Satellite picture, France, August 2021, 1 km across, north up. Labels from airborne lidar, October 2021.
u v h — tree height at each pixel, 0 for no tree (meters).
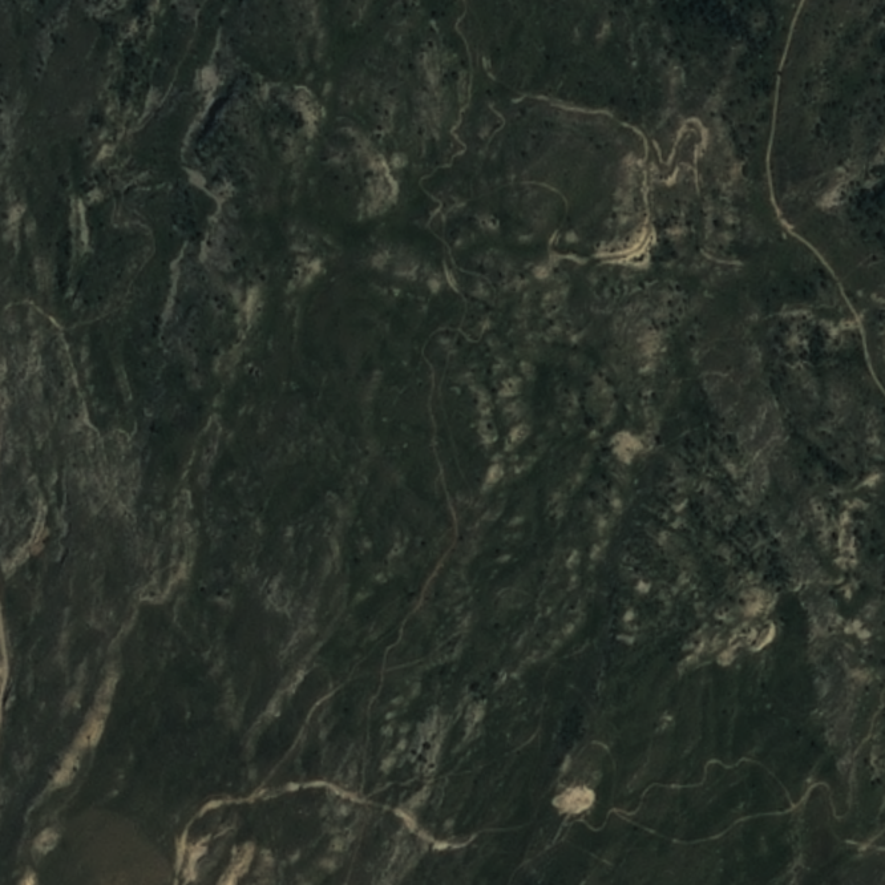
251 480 0
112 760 0
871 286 0
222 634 0
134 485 0
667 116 0
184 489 0
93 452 0
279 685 0
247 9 0
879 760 0
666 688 0
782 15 0
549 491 0
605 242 0
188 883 0
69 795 0
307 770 0
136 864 0
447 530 0
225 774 0
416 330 0
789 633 0
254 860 0
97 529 0
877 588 0
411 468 0
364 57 0
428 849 0
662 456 0
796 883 0
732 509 0
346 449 0
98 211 0
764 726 0
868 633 0
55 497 0
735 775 0
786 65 0
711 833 0
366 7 0
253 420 0
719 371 0
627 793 0
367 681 0
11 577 0
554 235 0
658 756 0
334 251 0
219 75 0
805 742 0
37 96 0
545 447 0
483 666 0
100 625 0
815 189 0
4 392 0
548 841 0
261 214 0
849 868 0
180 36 0
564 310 0
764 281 0
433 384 0
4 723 0
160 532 0
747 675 0
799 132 0
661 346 0
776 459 0
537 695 0
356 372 0
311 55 0
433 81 0
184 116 0
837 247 0
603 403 0
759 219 0
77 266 0
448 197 0
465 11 0
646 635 0
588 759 0
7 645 0
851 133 0
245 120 0
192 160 0
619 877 0
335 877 0
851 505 0
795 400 0
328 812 0
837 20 0
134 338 0
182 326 0
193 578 0
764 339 0
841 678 0
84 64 0
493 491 0
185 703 0
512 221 0
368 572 0
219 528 0
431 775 0
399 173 0
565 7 0
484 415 0
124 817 0
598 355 0
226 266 0
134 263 0
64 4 0
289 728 0
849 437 0
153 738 0
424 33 0
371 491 0
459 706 0
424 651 0
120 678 0
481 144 0
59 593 0
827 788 0
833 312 0
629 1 9
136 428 0
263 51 0
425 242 0
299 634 0
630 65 0
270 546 0
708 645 0
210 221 0
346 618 0
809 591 0
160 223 0
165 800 0
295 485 0
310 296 0
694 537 0
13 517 0
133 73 6
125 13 0
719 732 0
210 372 0
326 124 0
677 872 0
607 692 0
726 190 0
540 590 0
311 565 0
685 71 0
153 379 0
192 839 0
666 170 0
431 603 0
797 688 0
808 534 0
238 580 0
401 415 0
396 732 0
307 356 0
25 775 0
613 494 0
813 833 0
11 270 0
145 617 0
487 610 0
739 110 0
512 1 0
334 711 0
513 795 0
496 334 0
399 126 0
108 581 0
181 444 0
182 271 0
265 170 0
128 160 0
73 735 0
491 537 0
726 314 0
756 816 0
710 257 0
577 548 0
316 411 0
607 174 0
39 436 0
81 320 0
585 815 0
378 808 0
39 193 0
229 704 0
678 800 0
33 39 0
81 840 0
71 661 0
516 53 0
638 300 0
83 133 0
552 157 0
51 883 0
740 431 0
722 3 7
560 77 0
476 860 0
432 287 0
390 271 0
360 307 0
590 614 0
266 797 0
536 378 0
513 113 0
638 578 0
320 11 0
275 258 0
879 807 0
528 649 0
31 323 0
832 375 0
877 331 0
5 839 0
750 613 0
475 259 0
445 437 0
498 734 0
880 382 0
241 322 0
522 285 0
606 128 0
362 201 0
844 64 0
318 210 0
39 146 0
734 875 0
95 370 0
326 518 0
